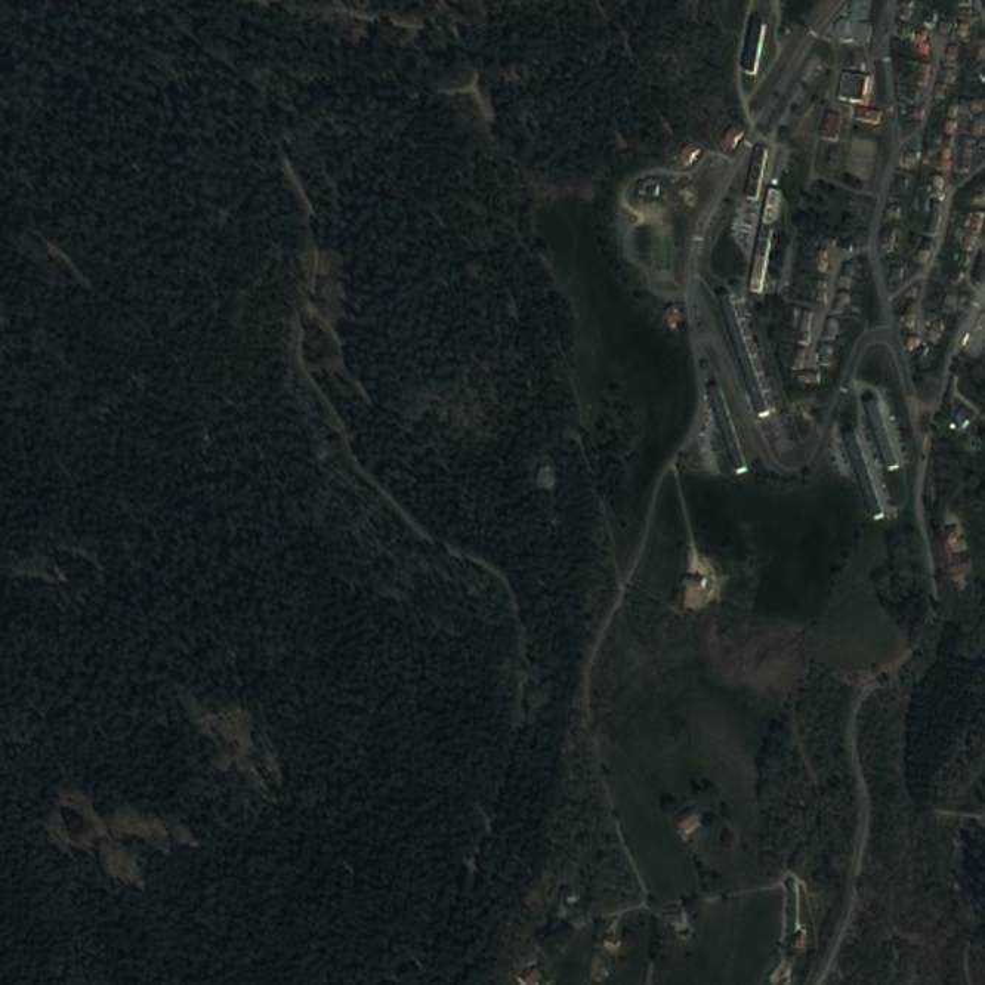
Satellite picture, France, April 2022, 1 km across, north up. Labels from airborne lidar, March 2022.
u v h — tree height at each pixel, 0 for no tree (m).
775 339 13
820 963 20
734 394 0
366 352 23
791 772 12
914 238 8
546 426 18
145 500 27
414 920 34
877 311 0
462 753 25
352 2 12
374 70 16
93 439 27
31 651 28
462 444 14
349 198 23
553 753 20
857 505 0
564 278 0
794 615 0
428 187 8
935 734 23
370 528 25
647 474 0
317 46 45
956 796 18
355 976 23
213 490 34
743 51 0
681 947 0
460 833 32
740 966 0
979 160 0
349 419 30
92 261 8
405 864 29
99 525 31
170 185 8
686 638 0
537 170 23
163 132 24
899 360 0
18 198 18
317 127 20
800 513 0
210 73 31
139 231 27
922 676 24
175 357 19
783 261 17
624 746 0
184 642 22
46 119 31
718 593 0
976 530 0
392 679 28
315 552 15
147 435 21
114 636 30
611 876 18
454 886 26
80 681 15
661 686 0
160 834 0
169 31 38
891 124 0
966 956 0
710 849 0
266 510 28
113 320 16
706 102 25
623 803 0
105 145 27
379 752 26
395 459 25
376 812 20
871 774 10
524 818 31
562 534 13
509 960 18
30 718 27
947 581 18
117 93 28
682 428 0
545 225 0
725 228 0
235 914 19
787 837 11
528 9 9
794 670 0
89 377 19
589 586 18
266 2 0
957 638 23
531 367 13
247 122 24
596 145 27
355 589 21
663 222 0
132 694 16
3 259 19
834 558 0
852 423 18
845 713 11
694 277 0
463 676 21
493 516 29
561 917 18
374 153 33
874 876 9
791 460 0
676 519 0
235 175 25
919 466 0
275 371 17
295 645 24
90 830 7
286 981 26
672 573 0
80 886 23
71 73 31
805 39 0
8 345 25
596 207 6
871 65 0
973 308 0
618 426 16
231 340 13
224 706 25
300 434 23
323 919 25
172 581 35
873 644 0
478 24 26
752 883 0
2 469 20
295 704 27
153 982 25
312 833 19
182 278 22
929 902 17
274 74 26
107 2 36
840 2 0
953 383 7
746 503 0
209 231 29
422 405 15
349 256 28
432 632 26
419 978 31
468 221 15
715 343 0
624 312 0
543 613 30
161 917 11
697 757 0
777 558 0
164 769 19
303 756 33
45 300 14
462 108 15
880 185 0
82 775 18
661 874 0
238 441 14
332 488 29
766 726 0
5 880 18
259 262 15
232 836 9
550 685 17
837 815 17
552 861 18
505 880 35
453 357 19
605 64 28
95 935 25
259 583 12
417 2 29
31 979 15
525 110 26
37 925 18
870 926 7
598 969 0
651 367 0
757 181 0
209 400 18
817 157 0
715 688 0
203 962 25
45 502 12
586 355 0
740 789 0
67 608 21
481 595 18
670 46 19
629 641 0
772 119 0
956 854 0
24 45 7
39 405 22
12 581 10
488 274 12
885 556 0
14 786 25
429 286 25
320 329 14
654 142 30
